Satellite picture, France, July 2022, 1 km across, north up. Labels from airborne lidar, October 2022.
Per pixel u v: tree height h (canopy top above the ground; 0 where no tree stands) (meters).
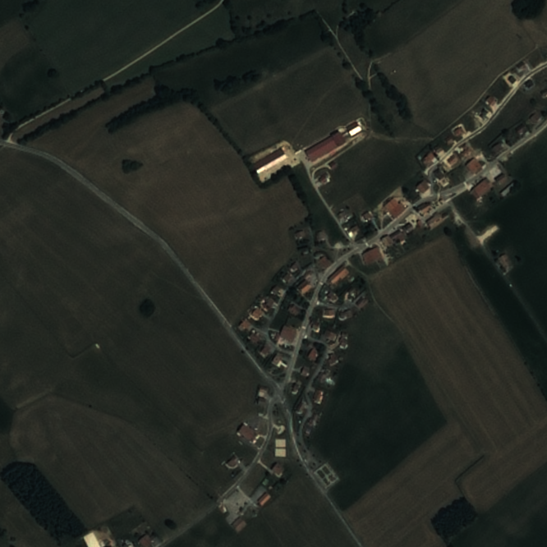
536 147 0
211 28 0
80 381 0
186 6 0
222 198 0
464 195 0
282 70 0
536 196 0
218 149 0
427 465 0
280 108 0
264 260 0
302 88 0
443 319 0
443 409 0
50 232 0
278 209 0
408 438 0
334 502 0
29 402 0
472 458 0
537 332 0
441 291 0
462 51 0
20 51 0
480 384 0
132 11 0
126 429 0
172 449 0
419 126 0
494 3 0
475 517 16
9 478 14
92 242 0
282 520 0
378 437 0
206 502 0
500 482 0
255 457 0
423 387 0
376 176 0
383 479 0
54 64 0
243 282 0
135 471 0
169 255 0
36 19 0
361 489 0
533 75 0
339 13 0
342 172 0
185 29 0
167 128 0
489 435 0
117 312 0
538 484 0
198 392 0
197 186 0
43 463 0
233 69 0
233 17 7
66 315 0
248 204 0
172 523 18
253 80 13
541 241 0
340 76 0
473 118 0
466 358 0
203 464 0
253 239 0
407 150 0
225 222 0
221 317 0
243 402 0
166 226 0
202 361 0
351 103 0
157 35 0
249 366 0
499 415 0
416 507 0
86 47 0
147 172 0
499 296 0
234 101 0
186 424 0
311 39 0
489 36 0
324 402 0
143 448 0
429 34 0
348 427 0
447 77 0
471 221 0
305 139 0
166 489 0
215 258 0
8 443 0
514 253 0
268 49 0
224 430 0
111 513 0
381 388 0
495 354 0
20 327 0
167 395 0
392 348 0
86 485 0
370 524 0
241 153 9
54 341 0
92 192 0
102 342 0
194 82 0
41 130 14
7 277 0
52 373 0
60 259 0
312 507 0
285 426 0
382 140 0
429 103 0
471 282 0
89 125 0
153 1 0
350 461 0
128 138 0
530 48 0
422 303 0
